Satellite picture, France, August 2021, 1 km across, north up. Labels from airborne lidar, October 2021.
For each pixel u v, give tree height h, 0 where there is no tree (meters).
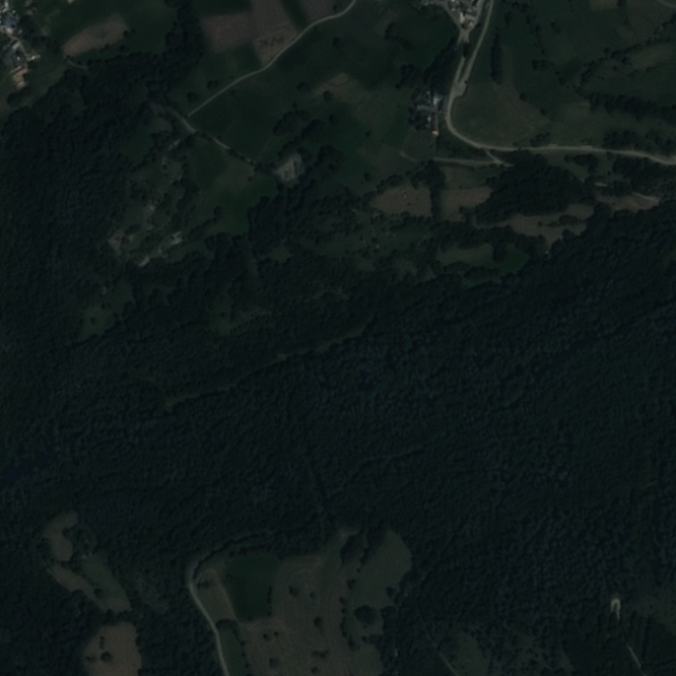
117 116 15
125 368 13
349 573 0
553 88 0
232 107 0
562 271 25
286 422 19
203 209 0
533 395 29
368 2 0
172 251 8
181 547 17
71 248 17
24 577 20
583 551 23
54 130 20
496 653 12
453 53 11
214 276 20
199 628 8
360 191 0
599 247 23
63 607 16
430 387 31
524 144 0
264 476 22
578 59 0
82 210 15
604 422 22
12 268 20
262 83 0
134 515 23
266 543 12
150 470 25
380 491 24
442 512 24
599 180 8
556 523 18
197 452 28
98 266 10
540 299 27
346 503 28
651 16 0
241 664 0
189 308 16
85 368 13
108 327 0
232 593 0
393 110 0
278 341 20
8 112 0
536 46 7
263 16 0
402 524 21
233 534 17
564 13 0
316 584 0
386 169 0
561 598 12
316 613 0
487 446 30
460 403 28
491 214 11
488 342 22
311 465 15
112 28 0
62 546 0
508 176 14
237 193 0
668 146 8
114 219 9
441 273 14
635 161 9
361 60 0
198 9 0
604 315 24
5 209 14
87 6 0
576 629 15
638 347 27
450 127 0
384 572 0
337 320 17
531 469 23
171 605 9
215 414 24
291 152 21
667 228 27
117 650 0
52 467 31
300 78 0
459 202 0
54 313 17
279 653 0
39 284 30
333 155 17
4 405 8
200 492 18
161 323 12
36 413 21
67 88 22
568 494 29
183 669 13
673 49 0
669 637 14
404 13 0
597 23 0
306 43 0
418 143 0
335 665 0
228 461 23
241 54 0
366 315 11
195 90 0
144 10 0
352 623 0
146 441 25
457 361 30
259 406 20
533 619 10
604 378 24
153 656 14
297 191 11
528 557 17
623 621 7
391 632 15
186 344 13
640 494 17
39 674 26
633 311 21
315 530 22
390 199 0
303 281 11
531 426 26
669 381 26
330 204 8
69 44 0
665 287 21
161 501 15
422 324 18
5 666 30
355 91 0
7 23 0
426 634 14
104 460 31
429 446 23
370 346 34
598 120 0
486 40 0
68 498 27
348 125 0
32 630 24
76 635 11
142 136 0
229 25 0
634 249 30
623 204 0
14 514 27
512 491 20
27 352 14
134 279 14
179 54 17
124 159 13
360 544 11
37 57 0
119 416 16
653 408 28
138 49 0
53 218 32
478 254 0
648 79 0
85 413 21
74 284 6
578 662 16
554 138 0
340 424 22
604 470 28
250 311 7
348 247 0
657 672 11
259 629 0
